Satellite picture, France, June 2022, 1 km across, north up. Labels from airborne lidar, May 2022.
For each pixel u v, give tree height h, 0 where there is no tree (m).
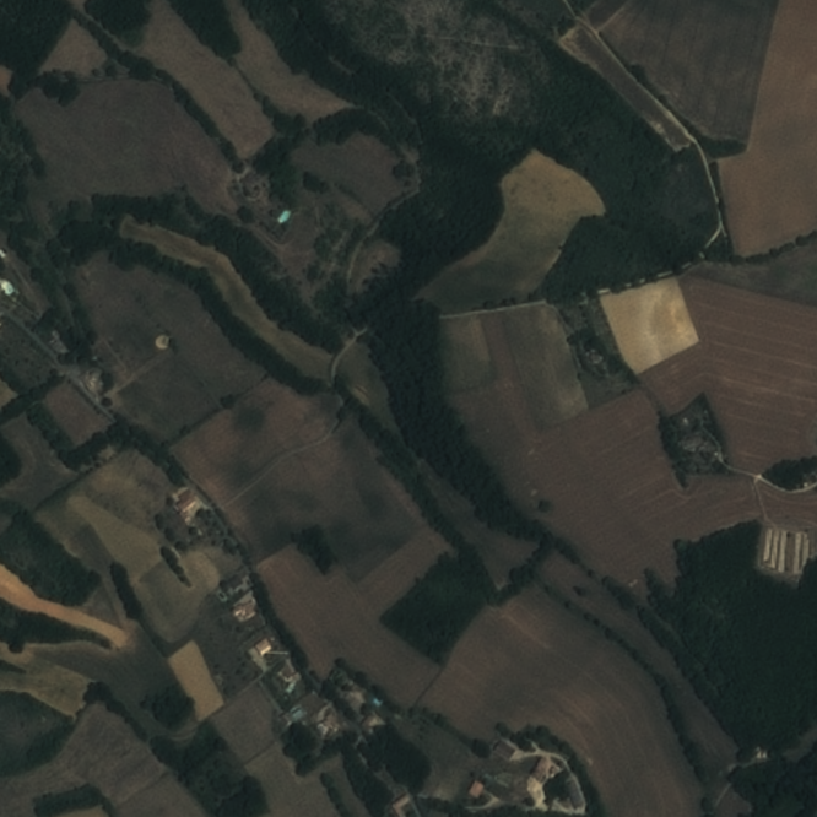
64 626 12
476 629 0
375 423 17
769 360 0
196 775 15
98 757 0
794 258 0
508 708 0
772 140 0
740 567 9
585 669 0
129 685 0
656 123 0
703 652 5
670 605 15
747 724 21
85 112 0
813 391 0
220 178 0
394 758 17
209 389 0
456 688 0
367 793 18
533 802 10
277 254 0
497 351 0
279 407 0
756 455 0
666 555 0
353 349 0
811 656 14
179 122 0
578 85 9
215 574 0
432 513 10
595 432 0
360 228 8
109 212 11
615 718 0
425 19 0
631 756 0
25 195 14
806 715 18
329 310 6
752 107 0
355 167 0
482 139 8
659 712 0
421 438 27
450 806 14
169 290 0
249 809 24
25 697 10
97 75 10
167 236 0
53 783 0
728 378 0
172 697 6
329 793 10
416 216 11
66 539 0
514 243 0
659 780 0
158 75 10
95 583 12
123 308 0
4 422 14
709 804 17
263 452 0
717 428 7
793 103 0
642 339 0
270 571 0
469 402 0
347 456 0
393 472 9
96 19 13
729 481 0
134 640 0
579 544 0
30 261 13
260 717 0
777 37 0
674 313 0
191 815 0
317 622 0
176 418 0
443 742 0
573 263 11
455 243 11
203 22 14
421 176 7
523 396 0
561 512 0
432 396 30
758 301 0
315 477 0
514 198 0
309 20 14
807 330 0
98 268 0
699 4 0
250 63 0
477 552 12
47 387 9
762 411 0
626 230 20
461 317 0
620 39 0
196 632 0
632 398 0
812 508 0
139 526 0
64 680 0
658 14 0
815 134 0
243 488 0
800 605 11
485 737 0
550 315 0
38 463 0
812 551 0
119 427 13
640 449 0
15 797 0
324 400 0
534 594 0
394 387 31
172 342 8
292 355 0
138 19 13
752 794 20
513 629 0
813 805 18
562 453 0
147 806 0
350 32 7
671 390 0
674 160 13
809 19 0
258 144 0
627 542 0
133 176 0
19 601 0
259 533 0
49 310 10
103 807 6
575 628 0
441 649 7
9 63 13
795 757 0
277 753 0
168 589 0
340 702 15
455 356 0
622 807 0
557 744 8
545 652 0
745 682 12
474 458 30
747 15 0
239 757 0
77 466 13
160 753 14
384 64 9
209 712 0
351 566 0
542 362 0
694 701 0
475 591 8
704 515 0
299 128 11
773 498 0
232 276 0
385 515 0
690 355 0
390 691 0
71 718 7
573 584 0
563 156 14
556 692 0
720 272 0
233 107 0
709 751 0
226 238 10
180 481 12
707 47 0
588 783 13
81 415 0
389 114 7
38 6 13
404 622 11
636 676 0
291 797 0
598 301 6
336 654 0
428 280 17
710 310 0
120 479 0
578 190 0
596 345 14
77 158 0
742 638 12
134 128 0
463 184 11
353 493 0
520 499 0
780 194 0
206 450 0
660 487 0
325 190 11
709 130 0
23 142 8
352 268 0
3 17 8
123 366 0
